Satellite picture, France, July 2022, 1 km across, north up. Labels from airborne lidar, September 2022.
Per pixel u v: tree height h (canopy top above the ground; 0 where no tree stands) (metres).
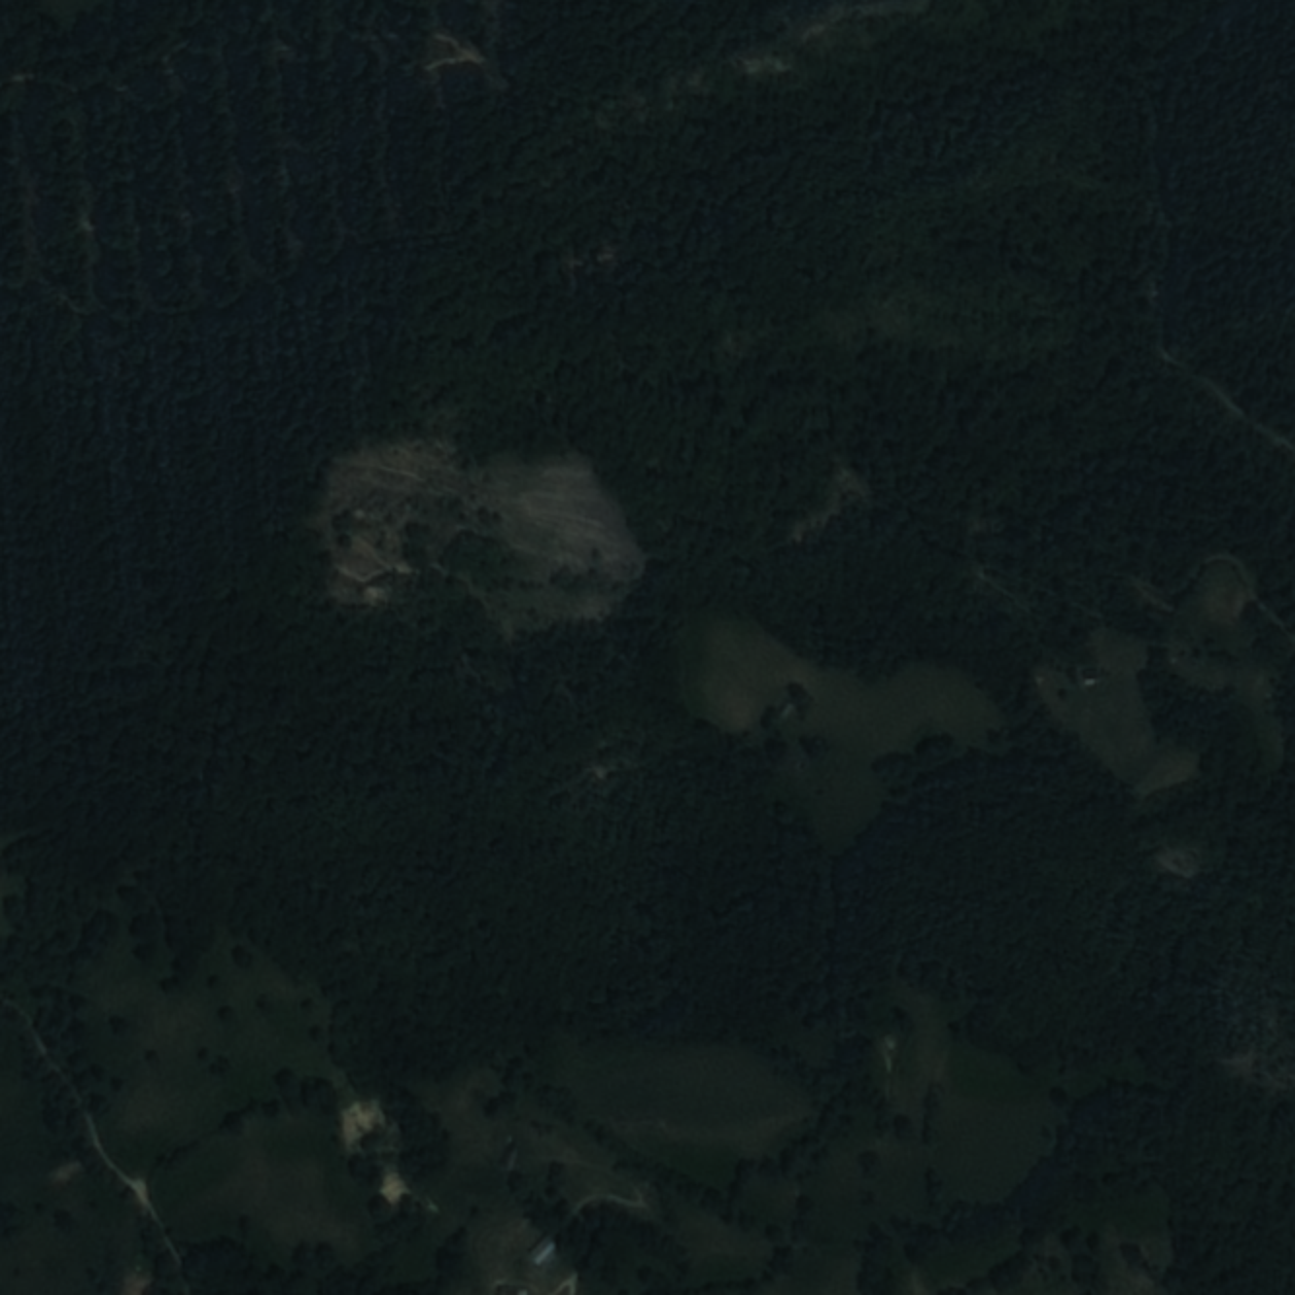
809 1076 16
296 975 13
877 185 24
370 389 20
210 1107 0
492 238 17
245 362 22
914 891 24
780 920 26
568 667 34
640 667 30
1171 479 9
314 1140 0
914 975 15
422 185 22
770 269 22
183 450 22
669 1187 14
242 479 23
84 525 24
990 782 25
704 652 0
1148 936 19
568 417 26
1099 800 29
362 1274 9
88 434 23
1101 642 0
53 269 8
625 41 11
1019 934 22
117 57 22
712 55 11
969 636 24
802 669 0
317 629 20
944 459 25
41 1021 10
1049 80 23
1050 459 13
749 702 0
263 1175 0
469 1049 11
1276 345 25
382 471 0
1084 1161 19
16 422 23
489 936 15
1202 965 24
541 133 14
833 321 8
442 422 7
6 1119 0
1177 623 6
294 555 21
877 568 28
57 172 27
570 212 14
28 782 21
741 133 25
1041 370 23
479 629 14
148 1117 0
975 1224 24
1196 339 17
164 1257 18
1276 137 18
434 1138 20
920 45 24
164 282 25
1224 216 23
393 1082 27
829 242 24
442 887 18
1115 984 24
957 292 9
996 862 24
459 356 19
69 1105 11
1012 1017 17
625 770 12
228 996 0
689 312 21
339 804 20
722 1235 0
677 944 34
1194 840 8
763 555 13
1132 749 0
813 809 0
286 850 20
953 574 31
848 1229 0
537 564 0
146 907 16
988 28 8
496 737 31
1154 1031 30
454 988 16
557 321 25
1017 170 10
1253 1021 7
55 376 21
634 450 25
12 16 27
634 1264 0
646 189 35
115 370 28
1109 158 19
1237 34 24
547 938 23
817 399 27
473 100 28
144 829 16
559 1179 14
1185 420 11
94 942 21
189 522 21
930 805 16
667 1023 20
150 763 22
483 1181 0
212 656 26
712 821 27
